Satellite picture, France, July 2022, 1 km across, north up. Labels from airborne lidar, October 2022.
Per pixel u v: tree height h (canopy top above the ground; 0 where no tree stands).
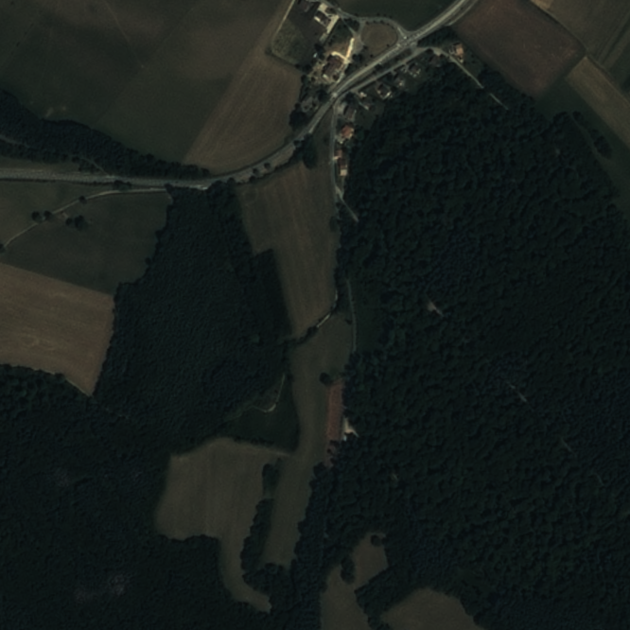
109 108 0
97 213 0
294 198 0
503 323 20
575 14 0
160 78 0
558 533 23
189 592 23
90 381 0
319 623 17
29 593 12
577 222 32
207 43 0
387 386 24
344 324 0
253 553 16
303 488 0
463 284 22
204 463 0
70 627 17
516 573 27
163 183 0
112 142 19
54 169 0
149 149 0
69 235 0
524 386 21
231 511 0
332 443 0
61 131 25
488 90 16
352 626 0
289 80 0
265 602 0
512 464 25
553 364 23
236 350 16
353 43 0
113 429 22
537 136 28
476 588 11
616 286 26
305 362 0
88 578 21
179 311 20
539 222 28
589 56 0
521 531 20
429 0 0
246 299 15
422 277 7
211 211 14
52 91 0
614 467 24
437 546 30
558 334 23
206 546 20
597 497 20
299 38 0
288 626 26
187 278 21
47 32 0
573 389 25
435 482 26
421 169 29
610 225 16
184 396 18
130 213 0
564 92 0
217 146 0
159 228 0
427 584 14
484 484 27
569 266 26
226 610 15
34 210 0
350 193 11
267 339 17
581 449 25
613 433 23
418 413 23
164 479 11
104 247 0
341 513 30
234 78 0
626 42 0
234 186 17
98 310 0
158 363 16
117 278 0
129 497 22
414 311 24
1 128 21
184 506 0
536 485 23
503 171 31
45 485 21
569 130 14
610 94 0
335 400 0
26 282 0
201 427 20
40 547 17
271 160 0
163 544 17
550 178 22
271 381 16
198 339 22
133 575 17
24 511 19
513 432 24
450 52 0
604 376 24
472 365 22
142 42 0
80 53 0
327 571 17
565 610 14
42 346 0
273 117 0
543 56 0
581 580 26
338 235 0
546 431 17
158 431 15
